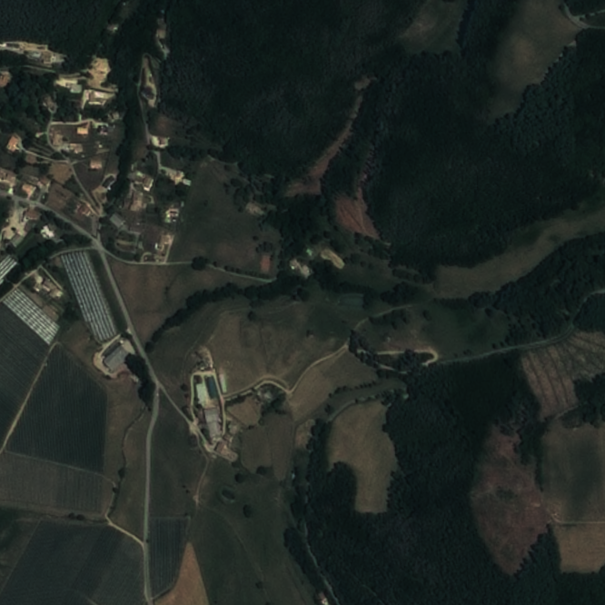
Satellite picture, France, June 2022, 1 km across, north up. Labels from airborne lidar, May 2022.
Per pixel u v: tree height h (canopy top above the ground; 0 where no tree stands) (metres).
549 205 19
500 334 0
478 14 31
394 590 19
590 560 0
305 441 0
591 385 17
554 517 0
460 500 19
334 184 25
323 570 15
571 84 16
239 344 0
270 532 0
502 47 0
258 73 15
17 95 17
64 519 0
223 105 12
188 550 0
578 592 19
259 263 0
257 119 13
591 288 16
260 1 17
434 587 17
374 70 22
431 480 22
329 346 0
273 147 14
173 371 0
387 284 0
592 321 19
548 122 21
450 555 17
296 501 8
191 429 0
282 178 16
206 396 0
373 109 20
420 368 17
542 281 17
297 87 15
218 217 0
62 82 0
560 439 0
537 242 0
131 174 0
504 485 0
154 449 0
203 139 0
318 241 13
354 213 0
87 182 0
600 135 16
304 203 15
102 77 0
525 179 14
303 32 6
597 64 20
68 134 0
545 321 21
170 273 0
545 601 27
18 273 11
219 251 0
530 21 0
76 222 0
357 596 16
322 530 11
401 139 21
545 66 0
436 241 19
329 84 18
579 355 0
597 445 0
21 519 0
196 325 0
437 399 23
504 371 7
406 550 18
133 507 0
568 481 0
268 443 0
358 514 12
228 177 0
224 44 15
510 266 0
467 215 17
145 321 0
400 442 16
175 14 16
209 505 0
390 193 18
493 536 0
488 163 10
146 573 0
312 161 17
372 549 20
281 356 0
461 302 15
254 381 0
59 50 19
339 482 19
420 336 0
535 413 14
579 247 21
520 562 0
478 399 6
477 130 12
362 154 24
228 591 0
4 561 0
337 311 0
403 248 16
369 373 0
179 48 15
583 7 14
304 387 0
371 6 22
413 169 18
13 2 17
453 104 15
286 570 0
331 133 17
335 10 12
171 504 0
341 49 13
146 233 0
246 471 0
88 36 16
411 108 20
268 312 0
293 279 16
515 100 0
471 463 18
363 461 0
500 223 17
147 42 10
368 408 0
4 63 13
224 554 0
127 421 0
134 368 32
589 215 0
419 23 0
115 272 0
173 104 11
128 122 18
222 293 17
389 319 8
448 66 18
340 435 0
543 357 0
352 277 0
